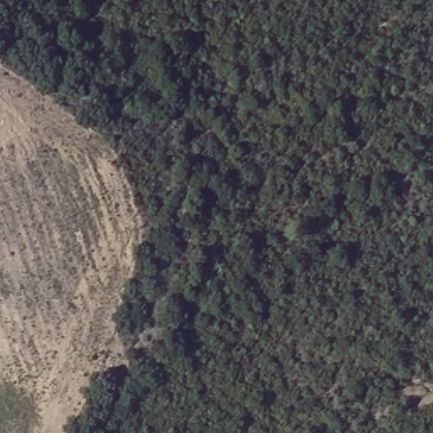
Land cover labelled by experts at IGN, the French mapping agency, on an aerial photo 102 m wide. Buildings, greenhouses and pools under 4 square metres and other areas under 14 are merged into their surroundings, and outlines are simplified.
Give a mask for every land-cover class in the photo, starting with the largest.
<instances>
[{"label":"brushwood","instance_id":"1","mask_svg":"<svg viewBox=\"0 0 433 433\"><path fill-rule=\"evenodd\" d=\"M81 3L85 7L86 17L76 20L73 27L78 36L93 44V49L86 52L85 58L88 61L98 63L101 49H108L112 39H118L123 66L129 71L130 66H134L137 61L134 52L135 42L145 39L154 42L161 49L162 69L169 76V81L178 88L176 110L171 117H167L166 123H144L140 118L123 112L122 101L117 98V86L98 83L96 90L107 95L108 103L107 130L101 129L100 132L103 140L112 145L117 152L118 159L112 162V166L115 169H125V176L134 188L135 205L139 208L144 205V200H151L154 203L161 200L162 188H179V181L184 176L191 179L193 174L201 173L203 164L208 166V173L215 174L218 181L227 183V186H230V198L235 203H240L237 220L242 223V235L252 242L250 247L254 260V269L245 276V288H249L255 294V298L262 306V313L259 320L245 325L242 316H238L232 310L228 311V315H222L220 311L211 315L201 311L198 304L184 298L183 293H176L173 299L179 308V325L173 330V342L164 345L161 340V326L144 328L140 333H129L122 338L123 350L127 352L129 365H117L103 370L110 397L107 404H100L96 409V419L93 423L95 430L101 433H433V0H83Z\"/></svg>","mask_w":433,"mask_h":433},{"label":"vineyard","instance_id":"2","mask_svg":"<svg viewBox=\"0 0 433 433\"><path fill-rule=\"evenodd\" d=\"M0 98L7 101L8 105H12L30 127L29 135L25 139L15 135L10 144L0 147V433H64V425L68 423V419L78 416L85 409L86 399L81 394V389L90 384L93 372L103 370L117 365H129L127 352L123 350L122 338L115 328L113 315L122 306L125 282L134 277V247L144 242V225L139 208L135 205L134 188L125 176V169H115L112 166V162L118 159L117 152L112 145L103 140L100 132L81 127L73 113L58 105L52 100L51 95H42L41 91H37L36 86L24 76L0 63Z\"/></svg>","mask_w":433,"mask_h":433},{"label":"deciduous trees","instance_id":"3","mask_svg":"<svg viewBox=\"0 0 433 433\"><path fill-rule=\"evenodd\" d=\"M83 0H0V63L24 76L36 86L37 91H41L42 95H51L52 100L58 105L73 113L81 127L100 132L101 129L107 130L108 103L107 95L96 90L98 83L117 86V98L122 101L123 112L140 118L144 123H166L167 117H171L176 110L178 88L169 81V76L162 69L161 49L154 42L145 39L135 42L134 52L137 61L134 66H130L129 71L123 66L118 39H112L108 49H101L98 63L88 61L85 58L86 52L93 49V44L78 36L73 27L76 20L86 17L85 7L81 3ZM240 203H235L230 198V186H227V183L218 181L215 174L208 173V166L203 164L201 173L193 174L191 179L184 176L179 181V188H162L161 200L154 203L151 200H144V205L139 208L144 225V242L134 247V277L125 282L122 306L113 315L115 328L122 338L129 333H140L144 328L161 326V340L164 345L173 342V330L179 325V308L173 299L176 293H183L184 298L198 304L201 311L211 315L220 311L222 315H228V311L232 310L238 316H242L245 325L259 320L262 313V306L255 298V294L249 288H245V276L254 269V260L250 247L252 242L242 235V223L237 220ZM81 394L86 399L85 409L78 416L68 419V423L64 425V433H101L95 430L93 423L96 419V409L100 404H107L110 397L103 370L93 372L90 384L81 389Z\"/></svg>","mask_w":433,"mask_h":433},{"label":"agricultural land","instance_id":"4","mask_svg":"<svg viewBox=\"0 0 433 433\"><path fill-rule=\"evenodd\" d=\"M30 127L12 105H8L7 101L0 98V147L10 144L15 135L25 139L29 135Z\"/></svg>","mask_w":433,"mask_h":433}]
</instances>
